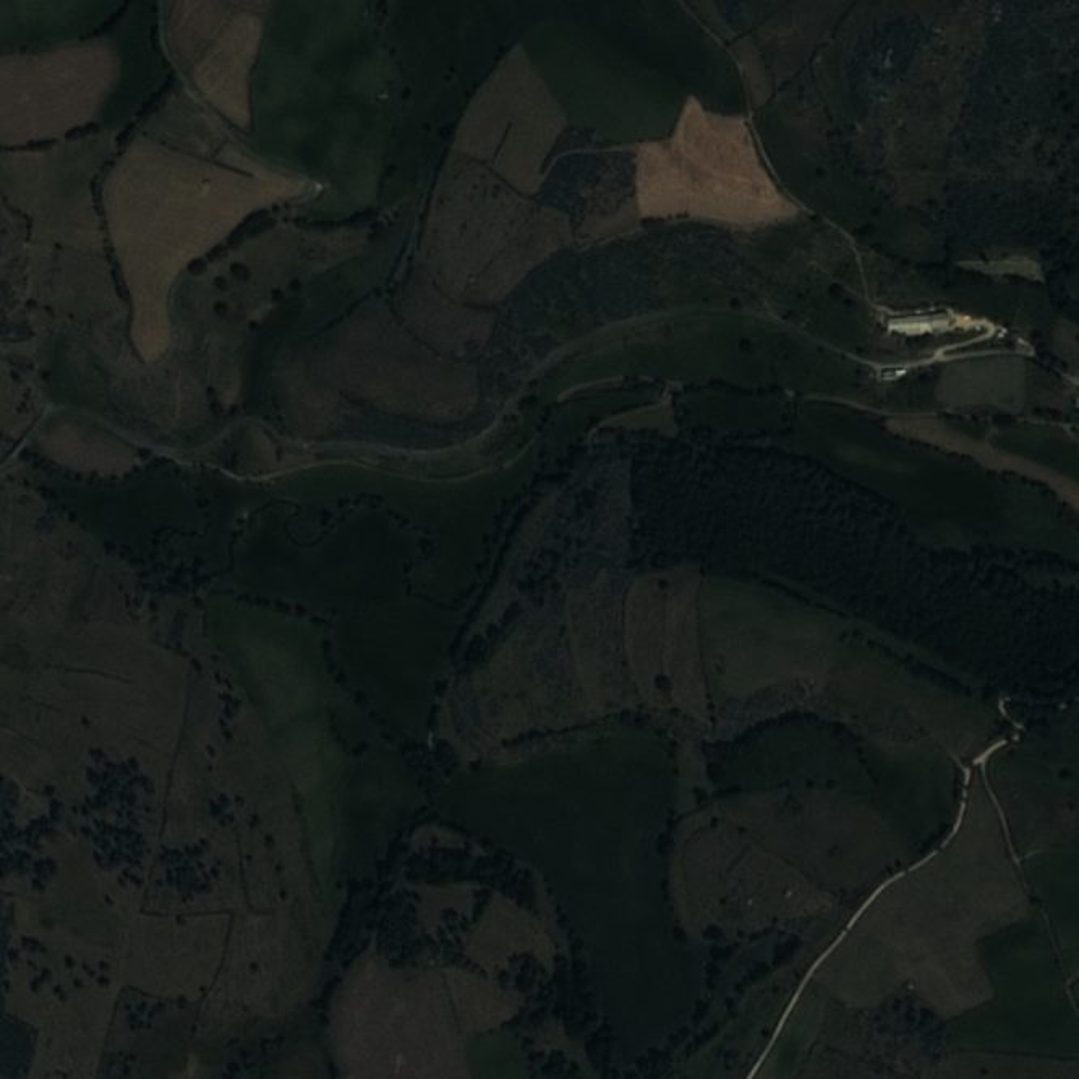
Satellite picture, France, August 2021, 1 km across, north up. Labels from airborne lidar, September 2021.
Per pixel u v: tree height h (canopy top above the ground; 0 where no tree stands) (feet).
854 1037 0
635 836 0
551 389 0
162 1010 26
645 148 0
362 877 0
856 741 32
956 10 0
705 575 24
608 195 0
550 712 0
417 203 0
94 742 0
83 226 0
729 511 60
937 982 0
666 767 0
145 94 0
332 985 28
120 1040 0
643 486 55
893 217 0
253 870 0
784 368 0
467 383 0
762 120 0
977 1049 0
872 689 0
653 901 0
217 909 0
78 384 0
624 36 0
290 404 0
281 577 0
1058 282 55
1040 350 28
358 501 26
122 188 0
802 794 0
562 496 0
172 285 0
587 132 0
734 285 0
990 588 66
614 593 0
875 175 22
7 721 0
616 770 0
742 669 0
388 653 0
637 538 38
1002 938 0
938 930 0
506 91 0
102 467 0
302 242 0
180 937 0
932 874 0
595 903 0
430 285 0
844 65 0
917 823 0
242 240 44
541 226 0
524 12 0
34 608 0
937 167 0
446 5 0
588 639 0
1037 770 0
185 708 0
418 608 0
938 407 0
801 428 0
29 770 0
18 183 0
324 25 0
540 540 0
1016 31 0
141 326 0
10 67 0
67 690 0
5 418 0
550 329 0
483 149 0
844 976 0
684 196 0
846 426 0
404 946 21
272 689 0
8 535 0
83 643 0
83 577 0
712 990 37
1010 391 0
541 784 0
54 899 0
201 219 0
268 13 0
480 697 0
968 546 0
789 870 0
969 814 0
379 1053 0
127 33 0
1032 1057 0
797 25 0
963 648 63
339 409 0
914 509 0
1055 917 0
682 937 38
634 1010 0
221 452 0
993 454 0
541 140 0
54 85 0
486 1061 0
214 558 0
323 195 0
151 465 30
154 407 0
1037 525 0
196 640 0
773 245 0
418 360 0
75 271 0
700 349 0
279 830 0
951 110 0
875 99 0
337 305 0
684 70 0
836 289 50
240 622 0
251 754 0
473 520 0
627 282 0
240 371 0
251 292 0
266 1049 37
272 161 0
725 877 0
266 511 0
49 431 0
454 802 0
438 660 0
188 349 0
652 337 0
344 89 0
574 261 0
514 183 0
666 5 0
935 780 0
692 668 0
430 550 52
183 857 32
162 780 0
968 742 0
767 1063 0
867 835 0
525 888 46
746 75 0
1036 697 55
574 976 48
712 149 0
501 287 0
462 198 0
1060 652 63
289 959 0
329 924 0
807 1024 0
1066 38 0
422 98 0
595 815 0
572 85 0
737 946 23
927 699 0
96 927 0
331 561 0
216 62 0
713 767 49
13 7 0
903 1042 0
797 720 57
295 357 0
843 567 68
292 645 0
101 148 0
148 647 0
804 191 0
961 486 0
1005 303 0
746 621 0
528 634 0
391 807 0
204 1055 0
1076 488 0
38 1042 0
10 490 0
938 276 50
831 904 0
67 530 0
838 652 0
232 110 0
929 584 71
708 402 0
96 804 30
